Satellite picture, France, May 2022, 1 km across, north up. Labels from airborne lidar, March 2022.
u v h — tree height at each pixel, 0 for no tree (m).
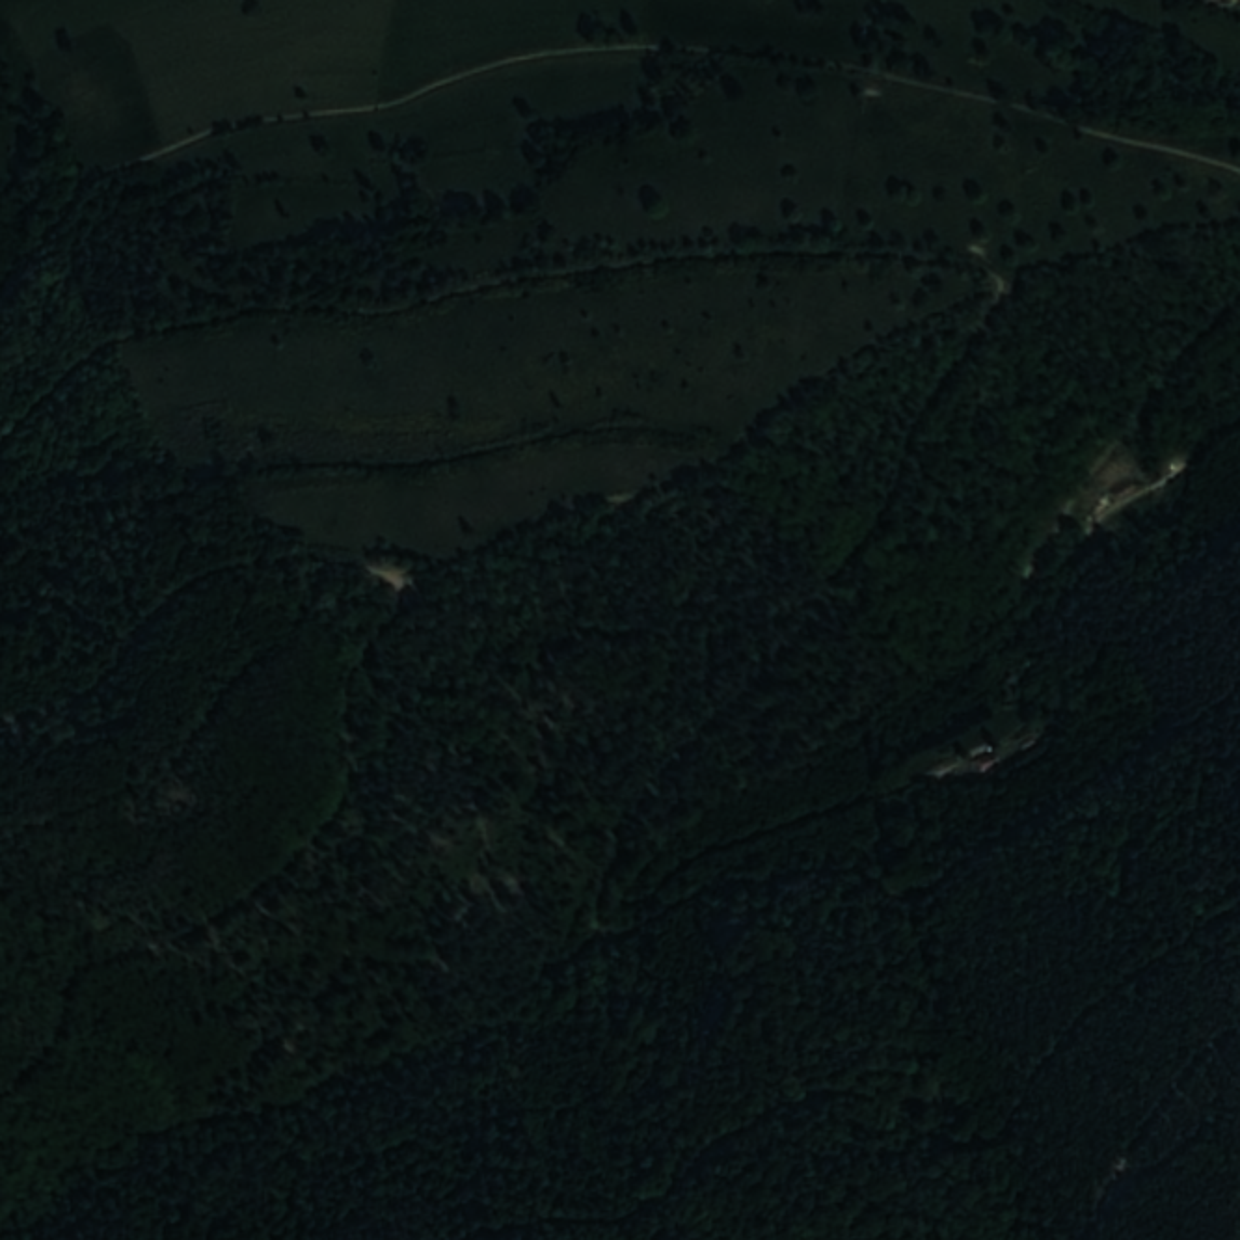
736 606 34
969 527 34
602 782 31
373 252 27
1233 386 22
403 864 35
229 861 18
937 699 12
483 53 0
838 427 19
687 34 0
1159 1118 18
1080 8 9
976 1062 28
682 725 30
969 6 0
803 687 34
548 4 0
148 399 0
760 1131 22
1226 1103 17
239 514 16
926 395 14
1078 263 14
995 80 0
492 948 36
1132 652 30
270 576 18
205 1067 17
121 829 12
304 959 9
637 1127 29
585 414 0
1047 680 13
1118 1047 20
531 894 28
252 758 17
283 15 0
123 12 0
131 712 12
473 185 0
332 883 35
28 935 30
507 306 0
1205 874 28
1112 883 23
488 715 33
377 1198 28
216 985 16
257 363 0
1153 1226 20
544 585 31
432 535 0
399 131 0
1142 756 20
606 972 18
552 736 30
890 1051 33
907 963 27
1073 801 19
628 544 29
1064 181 0
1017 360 12
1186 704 31
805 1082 25
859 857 15
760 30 0
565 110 0
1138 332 24
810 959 27
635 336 0
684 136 16
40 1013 22
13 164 0
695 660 34
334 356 0
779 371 0
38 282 14
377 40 0
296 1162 36
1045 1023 22
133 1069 30
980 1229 30
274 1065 37
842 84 0
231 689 15
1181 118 21
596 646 37
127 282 14
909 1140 8
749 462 17
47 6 0
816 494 23
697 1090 30
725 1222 24
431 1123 29
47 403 10
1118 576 28
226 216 17
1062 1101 19
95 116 0
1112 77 21
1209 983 24
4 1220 28
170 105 0
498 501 0
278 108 0
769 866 18
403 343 0
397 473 6
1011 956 21
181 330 7
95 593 15
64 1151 25
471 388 0
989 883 25
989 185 0
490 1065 26
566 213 0
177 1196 30
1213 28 0
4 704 10
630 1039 31
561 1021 15
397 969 13
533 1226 18
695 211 0
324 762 15
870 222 11
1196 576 33
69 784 11
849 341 0
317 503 0
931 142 0
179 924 25
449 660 34
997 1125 24
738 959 33
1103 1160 20
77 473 15
